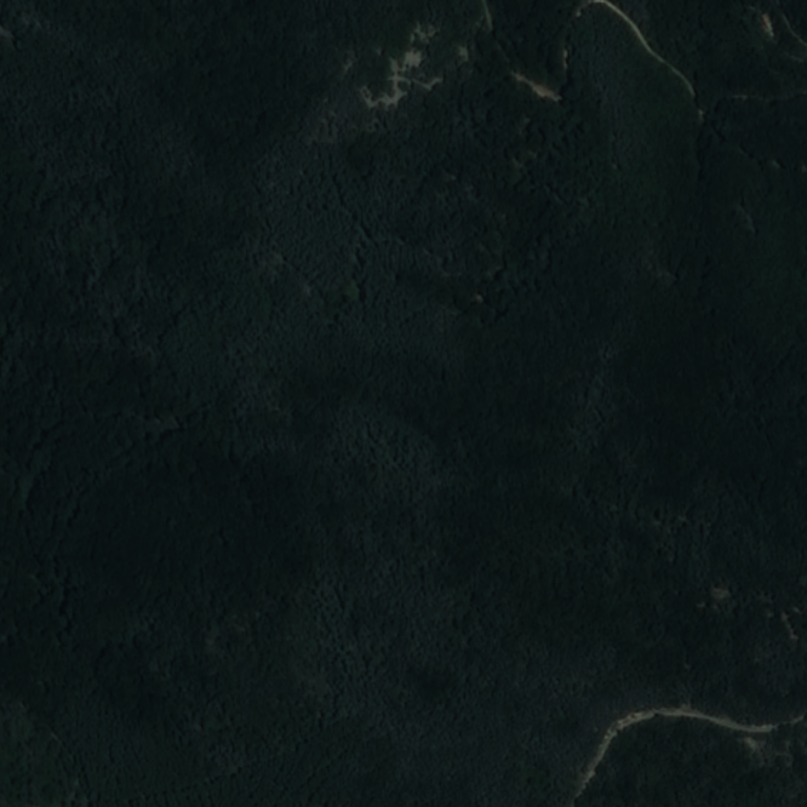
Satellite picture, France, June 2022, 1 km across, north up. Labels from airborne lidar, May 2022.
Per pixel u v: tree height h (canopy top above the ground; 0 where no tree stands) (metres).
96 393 25
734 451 25
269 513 20
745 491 13
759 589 14
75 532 27
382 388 14
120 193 22
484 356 25
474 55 16
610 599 12
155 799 13
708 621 15
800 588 16
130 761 21
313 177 25
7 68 19
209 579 19
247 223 13
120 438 22
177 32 25
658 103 18
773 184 18
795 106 20
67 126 23
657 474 20
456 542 14
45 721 11
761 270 19
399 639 9
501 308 27
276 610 6
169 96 21
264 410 10
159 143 20
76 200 19
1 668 18
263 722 9
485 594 10
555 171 29
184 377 23
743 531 19
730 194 20
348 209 26
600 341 15
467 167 21
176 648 13
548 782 10
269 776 20
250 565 20
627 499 18
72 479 28
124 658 8
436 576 9
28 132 16
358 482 12
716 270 33
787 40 11
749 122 17
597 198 18
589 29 15
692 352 16
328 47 17
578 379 11
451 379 21
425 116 11
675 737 16
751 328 18
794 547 15
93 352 9
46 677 11
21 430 29
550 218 24
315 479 13
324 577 14
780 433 19
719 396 15
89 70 15
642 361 26
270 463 19
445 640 13
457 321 15
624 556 15
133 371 22
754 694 13
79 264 20
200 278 20
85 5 18
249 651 9
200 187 15
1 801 12
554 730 15
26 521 23
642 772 18
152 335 22
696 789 18
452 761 16
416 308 20
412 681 12
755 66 17
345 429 15
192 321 23
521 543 8
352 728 17
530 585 11
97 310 19
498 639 14
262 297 24
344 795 16
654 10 12
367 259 23
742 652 15
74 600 27
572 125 25
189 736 16
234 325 21
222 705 11
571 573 12
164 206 29
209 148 20
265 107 26
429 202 19
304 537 17
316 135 15
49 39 16
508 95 22
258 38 23
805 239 26
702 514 21
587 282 27
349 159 15
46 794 10
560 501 14
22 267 17
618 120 11
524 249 18
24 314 21
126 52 16
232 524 24
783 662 14
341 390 18
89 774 20
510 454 16
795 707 15
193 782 19
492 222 18
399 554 18
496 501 12
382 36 15
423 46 11
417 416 16
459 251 17
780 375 10
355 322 15
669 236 22
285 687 8
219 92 25
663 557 15
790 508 20
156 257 22
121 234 11
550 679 16
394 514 19
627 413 19
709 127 18
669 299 23
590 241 22
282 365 17
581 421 8
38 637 24
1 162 26
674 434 28
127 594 26
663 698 13
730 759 16
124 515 15
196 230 18
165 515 21
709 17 17
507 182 19
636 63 12
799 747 9
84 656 19
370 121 11
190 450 32
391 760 13
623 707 14
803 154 21
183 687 17
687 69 14
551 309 21
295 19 18
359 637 18
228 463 21
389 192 19
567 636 12
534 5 21
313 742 17
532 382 17
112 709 16
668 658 17
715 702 11
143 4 20
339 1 20
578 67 17
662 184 14
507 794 16
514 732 13
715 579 18
